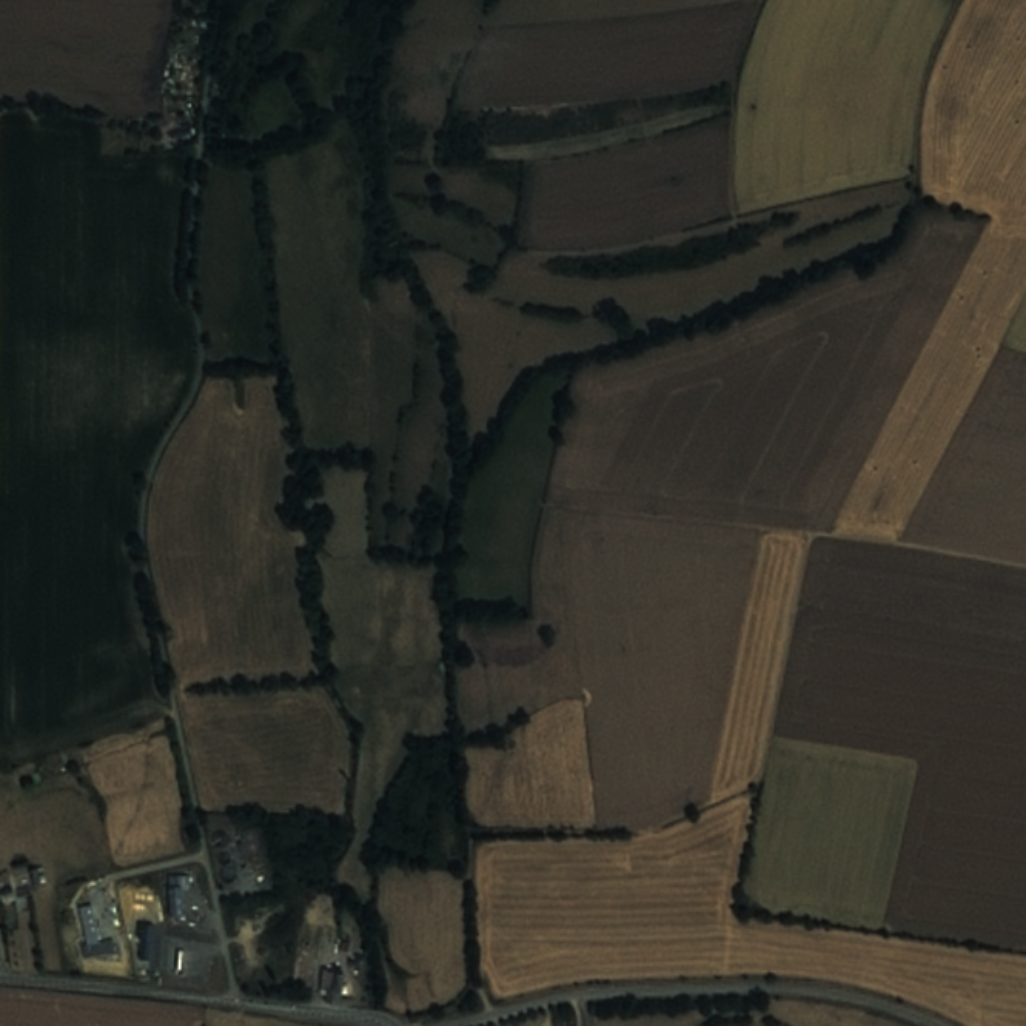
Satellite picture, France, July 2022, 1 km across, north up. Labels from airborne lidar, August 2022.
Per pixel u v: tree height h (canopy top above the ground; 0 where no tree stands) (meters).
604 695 0
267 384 0
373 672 0
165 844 0
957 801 0
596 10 0
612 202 0
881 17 0
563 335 0
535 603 0
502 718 0
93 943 0
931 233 0
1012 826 0
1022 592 0
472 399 0
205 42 10
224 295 0
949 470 0
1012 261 0
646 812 0
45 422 0
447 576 11
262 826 13
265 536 0
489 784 0
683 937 0
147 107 0
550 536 0
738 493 0
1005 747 0
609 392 0
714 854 0
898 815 0
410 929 0
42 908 0
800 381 0
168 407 0
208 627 0
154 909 0
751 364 0
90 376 0
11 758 0
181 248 11
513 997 0
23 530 0
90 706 0
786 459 0
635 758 0
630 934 0
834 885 0
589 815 0
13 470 0
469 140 6
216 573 0
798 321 0
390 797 10
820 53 0
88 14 0
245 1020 0
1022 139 0
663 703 0
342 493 0
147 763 0
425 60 0
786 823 0
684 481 0
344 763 0
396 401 0
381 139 7
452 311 0
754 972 0
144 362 0
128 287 0
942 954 0
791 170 0
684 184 0
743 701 0
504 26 0
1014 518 0
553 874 0
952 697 0
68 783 0
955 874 0
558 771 0
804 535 0
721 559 0
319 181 0
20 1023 0
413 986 0
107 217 0
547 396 0
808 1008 0
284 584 0
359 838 0
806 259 0
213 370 12
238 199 0
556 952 0
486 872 0
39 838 0
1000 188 0
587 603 0
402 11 16
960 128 0
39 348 0
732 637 0
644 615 0
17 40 0
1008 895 0
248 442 0
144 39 0
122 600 0
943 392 0
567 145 0
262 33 21
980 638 0
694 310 0
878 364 0
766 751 0
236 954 0
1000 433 0
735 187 0
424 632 0
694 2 0
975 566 0
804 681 0
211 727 0
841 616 0
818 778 0
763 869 0
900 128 0
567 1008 12
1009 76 0
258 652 0
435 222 0
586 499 0
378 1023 0
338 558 0
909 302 0
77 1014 0
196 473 0
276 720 0
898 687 0
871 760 0
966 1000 0
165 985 0
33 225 0
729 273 0
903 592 0
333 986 0
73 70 0
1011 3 0
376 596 0
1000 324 0
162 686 15
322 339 0
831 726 0
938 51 0
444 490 0
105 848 0
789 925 10
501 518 0
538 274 0
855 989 0
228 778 0
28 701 0
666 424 0
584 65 0
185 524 0
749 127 0
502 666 0
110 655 0
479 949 12
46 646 0
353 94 7
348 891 15
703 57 0
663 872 0
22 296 0
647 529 0
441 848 0
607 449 0
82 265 0
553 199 0
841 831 0
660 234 0
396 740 0
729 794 0
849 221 6
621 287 0
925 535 0
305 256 0
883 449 0
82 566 0
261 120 0
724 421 0
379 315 0
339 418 0
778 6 0
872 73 0
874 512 0
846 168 0
